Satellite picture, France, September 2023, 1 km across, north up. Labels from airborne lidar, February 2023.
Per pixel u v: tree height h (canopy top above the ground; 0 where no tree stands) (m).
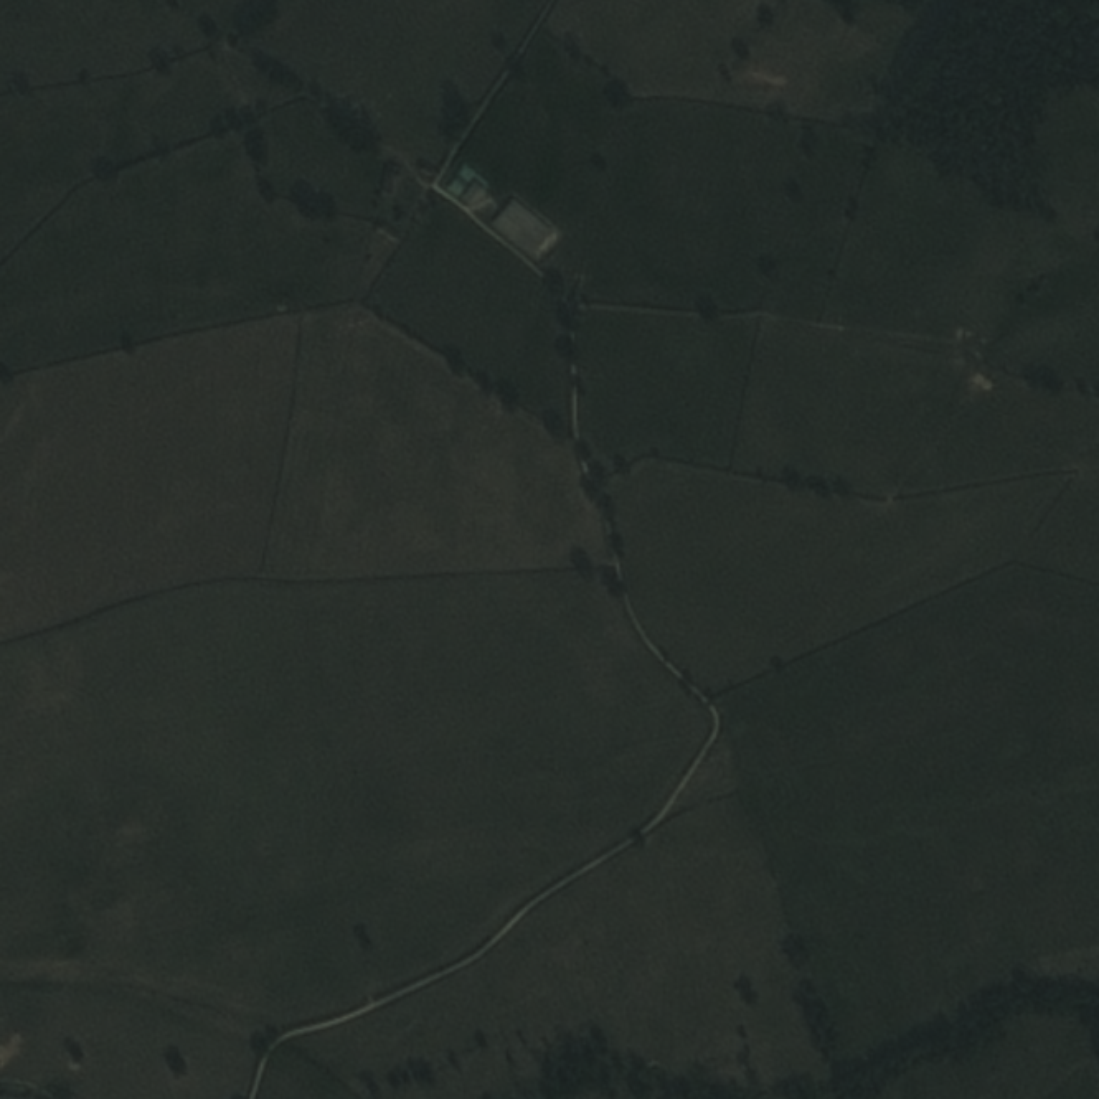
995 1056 0
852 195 0
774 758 0
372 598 0
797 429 0
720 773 0
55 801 0
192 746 0
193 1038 0
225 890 0
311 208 21
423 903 0
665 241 0
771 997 0
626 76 0
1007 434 0
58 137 0
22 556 0
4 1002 0
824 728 0
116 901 0
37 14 0
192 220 0
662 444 0
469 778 0
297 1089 0
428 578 0
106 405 0
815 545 0
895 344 0
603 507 10
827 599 0
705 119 0
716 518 0
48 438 0
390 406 0
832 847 0
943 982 0
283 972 0
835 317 0
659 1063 0
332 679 0
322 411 0
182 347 0
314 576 0
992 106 19
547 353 0
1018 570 0
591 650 0
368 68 0
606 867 0
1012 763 0
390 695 0
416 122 0
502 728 0
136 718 0
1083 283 0
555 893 0
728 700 0
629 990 0
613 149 0
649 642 0
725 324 0
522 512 0
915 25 0
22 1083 0
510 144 0
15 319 0
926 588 0
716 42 0
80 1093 0
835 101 0
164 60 15
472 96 0
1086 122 0
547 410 0
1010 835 0
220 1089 0
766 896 0
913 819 0
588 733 0
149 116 0
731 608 0
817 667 0
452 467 0
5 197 0
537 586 0
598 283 0
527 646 0
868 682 0
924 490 0
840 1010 0
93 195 0
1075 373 0
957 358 0
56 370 0
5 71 0
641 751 0
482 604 0
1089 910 0
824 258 0
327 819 0
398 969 0
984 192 11
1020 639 0
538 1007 0
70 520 0
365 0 0
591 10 0
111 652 0
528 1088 0
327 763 0
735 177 0
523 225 0
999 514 0
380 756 0
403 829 0
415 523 0
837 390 0
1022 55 20
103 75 0
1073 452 0
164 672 0
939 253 0
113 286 0
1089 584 0
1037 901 0
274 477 0
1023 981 15
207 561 0
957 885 0
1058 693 0
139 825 0
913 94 16
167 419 0
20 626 0
